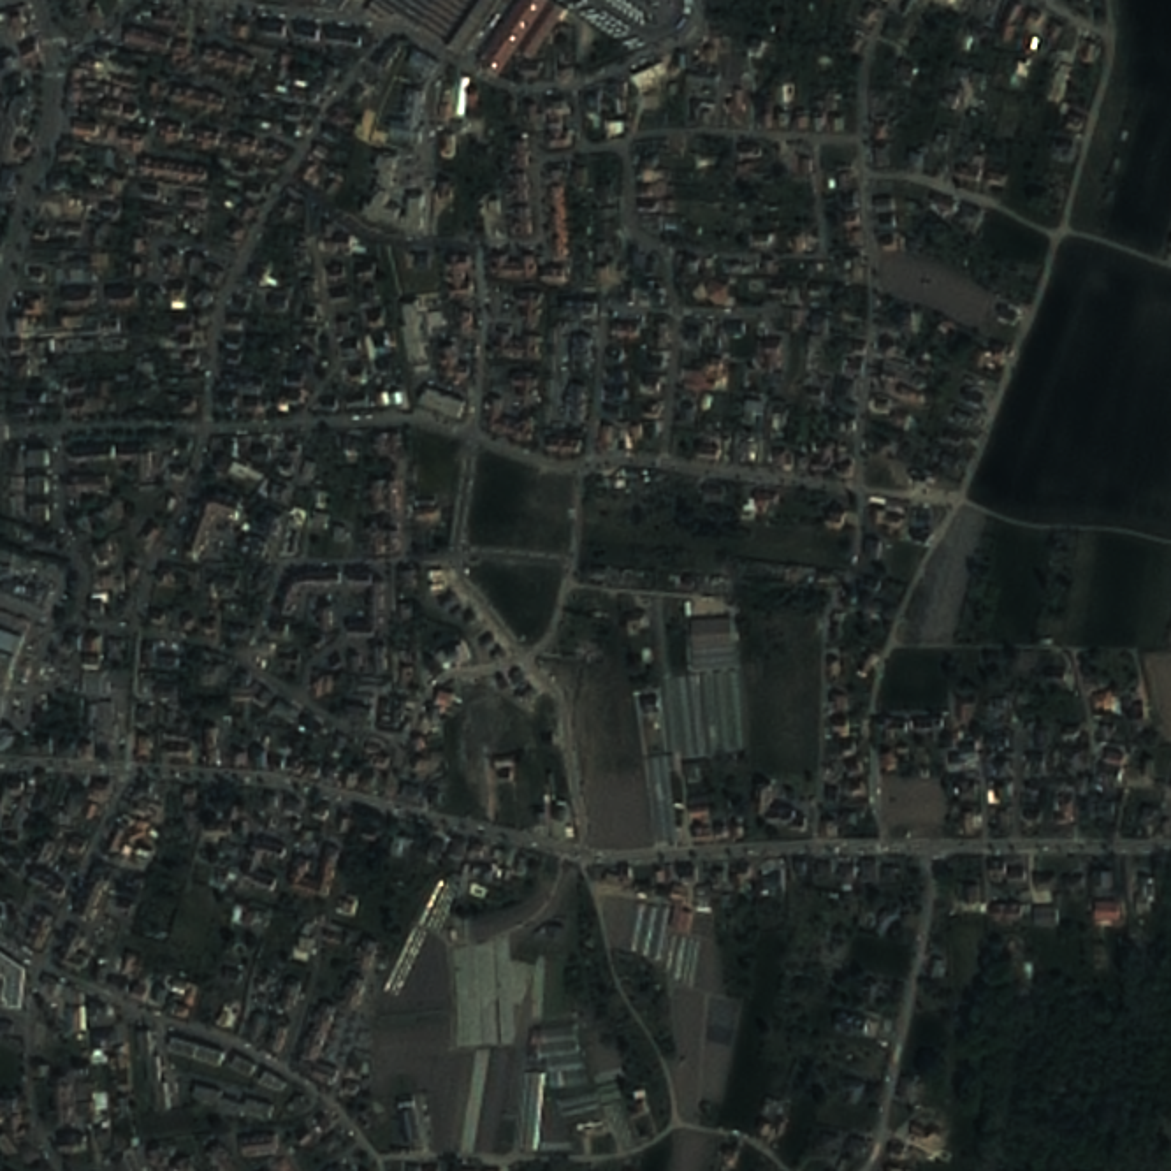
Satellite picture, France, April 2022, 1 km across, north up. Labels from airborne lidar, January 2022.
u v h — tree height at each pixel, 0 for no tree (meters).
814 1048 10
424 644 0
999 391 0
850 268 0
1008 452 0
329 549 0
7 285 0
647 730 0
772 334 0
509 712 0
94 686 0
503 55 0
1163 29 0
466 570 0
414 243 0
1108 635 0
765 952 0
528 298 0
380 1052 0
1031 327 0
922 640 0
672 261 0
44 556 6
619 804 0
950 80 0
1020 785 0
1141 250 0
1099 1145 31
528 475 0
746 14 8
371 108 0
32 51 0
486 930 0
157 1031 0
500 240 0
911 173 0
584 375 0
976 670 0
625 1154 0
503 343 0
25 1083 0
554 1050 0
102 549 0
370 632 0
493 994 0
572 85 0
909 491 0
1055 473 0
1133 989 22
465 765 0
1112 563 0
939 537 0
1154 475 0
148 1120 0
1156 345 0
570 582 0
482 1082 0
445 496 0
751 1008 0
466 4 0
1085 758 7
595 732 0
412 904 0
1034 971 0
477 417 0
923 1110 0
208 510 0
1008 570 0
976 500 0
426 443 0
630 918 0
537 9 0
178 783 10
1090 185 0
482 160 13
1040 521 0
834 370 0
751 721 0
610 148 0
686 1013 0
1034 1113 30
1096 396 0
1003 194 12
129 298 0
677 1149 0
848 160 0
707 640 0
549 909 0
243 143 0
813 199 0
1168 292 0
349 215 0
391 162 0
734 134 0
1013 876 0
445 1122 0
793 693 0
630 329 0
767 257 0
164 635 0
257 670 0
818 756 0
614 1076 0
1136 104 0
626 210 0
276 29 0
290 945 0
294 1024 0
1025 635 0
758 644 0
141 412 5
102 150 0
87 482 0
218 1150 0
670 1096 0
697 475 0
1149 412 0
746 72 0
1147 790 0
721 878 0
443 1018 0
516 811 0
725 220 0
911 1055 0
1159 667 0
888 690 0
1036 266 0
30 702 0
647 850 0
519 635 0
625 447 0
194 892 0
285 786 0
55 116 0
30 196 0
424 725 0
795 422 6
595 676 0
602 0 0
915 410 0
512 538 0
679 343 0
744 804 12
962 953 0
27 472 0
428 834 16
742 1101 0
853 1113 0
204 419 0
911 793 0
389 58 0
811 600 10
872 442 6
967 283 0
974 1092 24
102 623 0
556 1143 0
